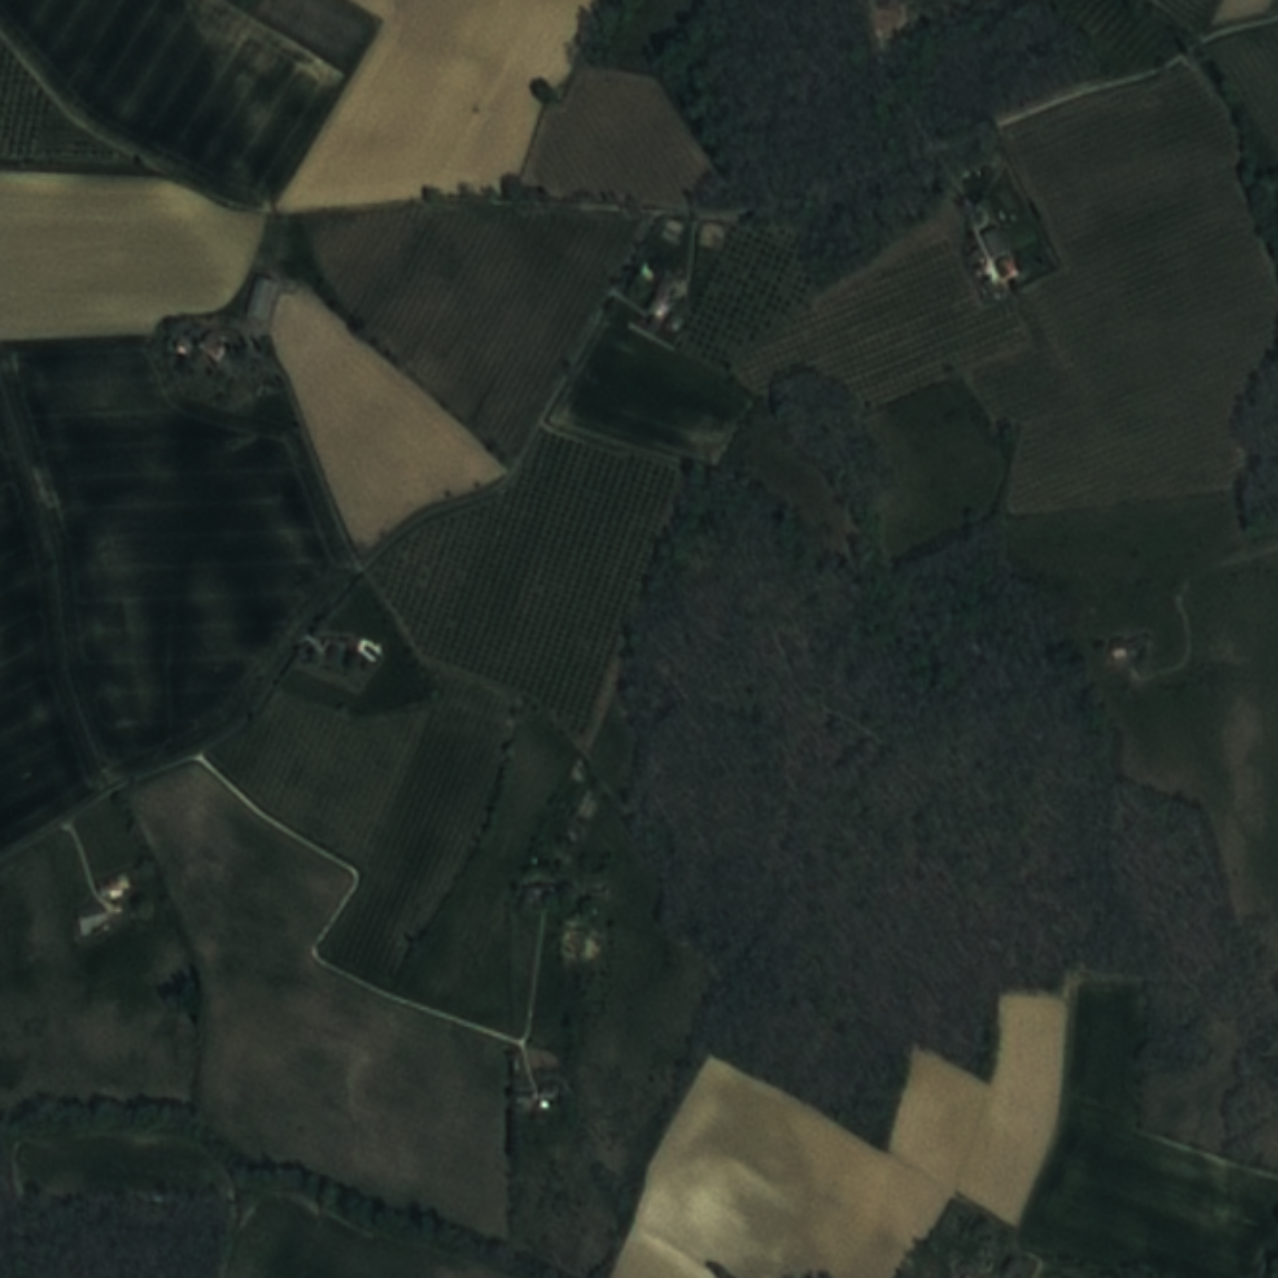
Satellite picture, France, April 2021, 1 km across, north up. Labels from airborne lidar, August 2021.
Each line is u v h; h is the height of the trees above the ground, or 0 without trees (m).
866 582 18
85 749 0
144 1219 13
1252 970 13
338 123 0
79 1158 0
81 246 0
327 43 0
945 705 24
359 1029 0
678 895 16
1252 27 0
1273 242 12
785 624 15
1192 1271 0
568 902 17
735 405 0
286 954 0
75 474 0
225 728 0
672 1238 0
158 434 0
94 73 0
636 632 19
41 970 0
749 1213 0
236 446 0
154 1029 0
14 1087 0
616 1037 0
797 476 0
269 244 0
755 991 16
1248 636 0
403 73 0
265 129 0
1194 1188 0
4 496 0
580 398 0
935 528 0
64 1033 0
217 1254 13
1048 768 17
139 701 0
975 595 26
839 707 15
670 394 0
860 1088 16
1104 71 6
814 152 23
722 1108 0
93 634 0
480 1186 0
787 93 18
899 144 20
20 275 0
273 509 0
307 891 0
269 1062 0
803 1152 0
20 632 0
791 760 13
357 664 19
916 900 18
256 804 0
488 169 0
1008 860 19
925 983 17
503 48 0
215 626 0
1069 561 0
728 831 21
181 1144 0
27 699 0
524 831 0
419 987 0
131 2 0
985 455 0
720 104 19
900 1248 0
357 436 0
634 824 12
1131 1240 0
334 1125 0
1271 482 24
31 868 0
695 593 15
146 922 14
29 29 0
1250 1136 14
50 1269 15
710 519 15
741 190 20
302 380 0
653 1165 0
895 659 21
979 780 18
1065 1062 0
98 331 0
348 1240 0
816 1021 18
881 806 18
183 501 0
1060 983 15
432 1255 0
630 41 0
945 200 16
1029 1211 0
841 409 22
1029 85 18
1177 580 0
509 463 12
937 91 19
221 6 0
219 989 0
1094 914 22
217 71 0
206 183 0
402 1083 0
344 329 0
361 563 11
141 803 0
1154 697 0
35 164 9
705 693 20
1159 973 14
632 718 16
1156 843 18
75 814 0
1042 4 14
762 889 17
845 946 15
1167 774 0
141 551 0
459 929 0
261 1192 12
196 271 0
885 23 0
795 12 17
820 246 18
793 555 18
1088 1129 0
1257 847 0
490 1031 0
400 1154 0
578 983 11
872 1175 0
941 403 0
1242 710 0
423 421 0
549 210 12
